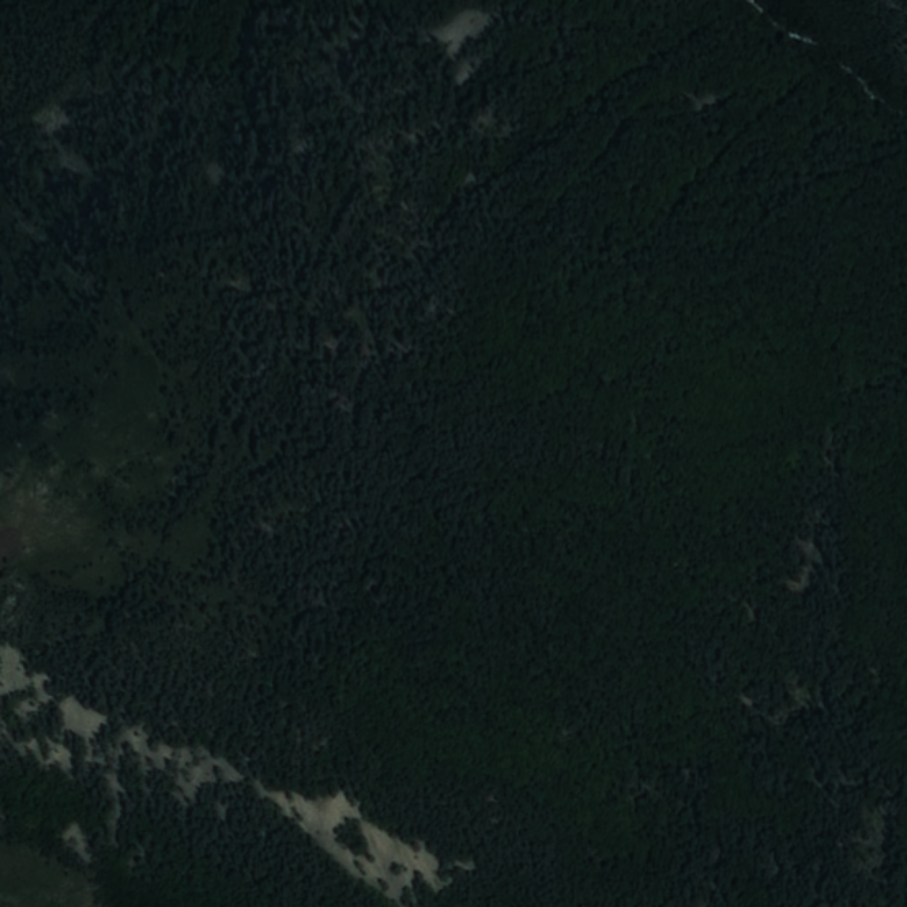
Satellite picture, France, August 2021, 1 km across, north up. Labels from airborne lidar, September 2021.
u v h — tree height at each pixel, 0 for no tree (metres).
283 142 8
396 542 22
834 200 27
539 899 29
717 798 24
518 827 21
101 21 5
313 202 27
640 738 28
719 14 25
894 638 14
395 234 12
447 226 30
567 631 21
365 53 22
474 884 15
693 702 19
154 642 9
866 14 28
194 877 18
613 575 19
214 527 11
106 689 25
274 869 19
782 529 24
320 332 27
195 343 8
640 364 23
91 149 9
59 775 10
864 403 27
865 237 28
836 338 21
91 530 0
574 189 21
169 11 14
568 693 19
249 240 15
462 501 24
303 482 21
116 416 0
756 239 24
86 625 13
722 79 20
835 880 26
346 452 27
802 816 28
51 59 9
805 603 21
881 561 22
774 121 29
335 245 22
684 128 23
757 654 23
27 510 0
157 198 14
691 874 30
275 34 11
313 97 9
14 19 7
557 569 20
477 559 20
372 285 16
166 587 18
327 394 28
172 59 16
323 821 0
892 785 34
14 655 0
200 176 15
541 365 18
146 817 13
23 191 8
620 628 19
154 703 17
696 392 21
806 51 17
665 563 25
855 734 18
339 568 26
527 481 29
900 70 17
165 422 9
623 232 28
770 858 18
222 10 25
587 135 25
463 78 0
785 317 23
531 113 24
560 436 20
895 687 25
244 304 22
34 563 0
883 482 22
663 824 20
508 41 21
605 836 24
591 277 26
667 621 21
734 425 21
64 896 0
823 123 31
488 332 24
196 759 7
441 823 16
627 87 26
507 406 24
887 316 31
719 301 26
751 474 15
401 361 23
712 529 22
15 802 19
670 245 22
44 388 6
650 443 17
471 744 21
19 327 7
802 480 35
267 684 14
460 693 20
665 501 19
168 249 8
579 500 21
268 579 15
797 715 14
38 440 0
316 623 28
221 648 8
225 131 6
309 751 17
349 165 29
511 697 17
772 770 22
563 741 16
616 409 21
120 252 14
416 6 26
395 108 23
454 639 20
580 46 26
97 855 8
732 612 24
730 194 26
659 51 21
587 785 24
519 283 25
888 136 7
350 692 14
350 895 25
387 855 0
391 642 22
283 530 22
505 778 23
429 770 18
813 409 23
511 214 17
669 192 24
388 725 18
